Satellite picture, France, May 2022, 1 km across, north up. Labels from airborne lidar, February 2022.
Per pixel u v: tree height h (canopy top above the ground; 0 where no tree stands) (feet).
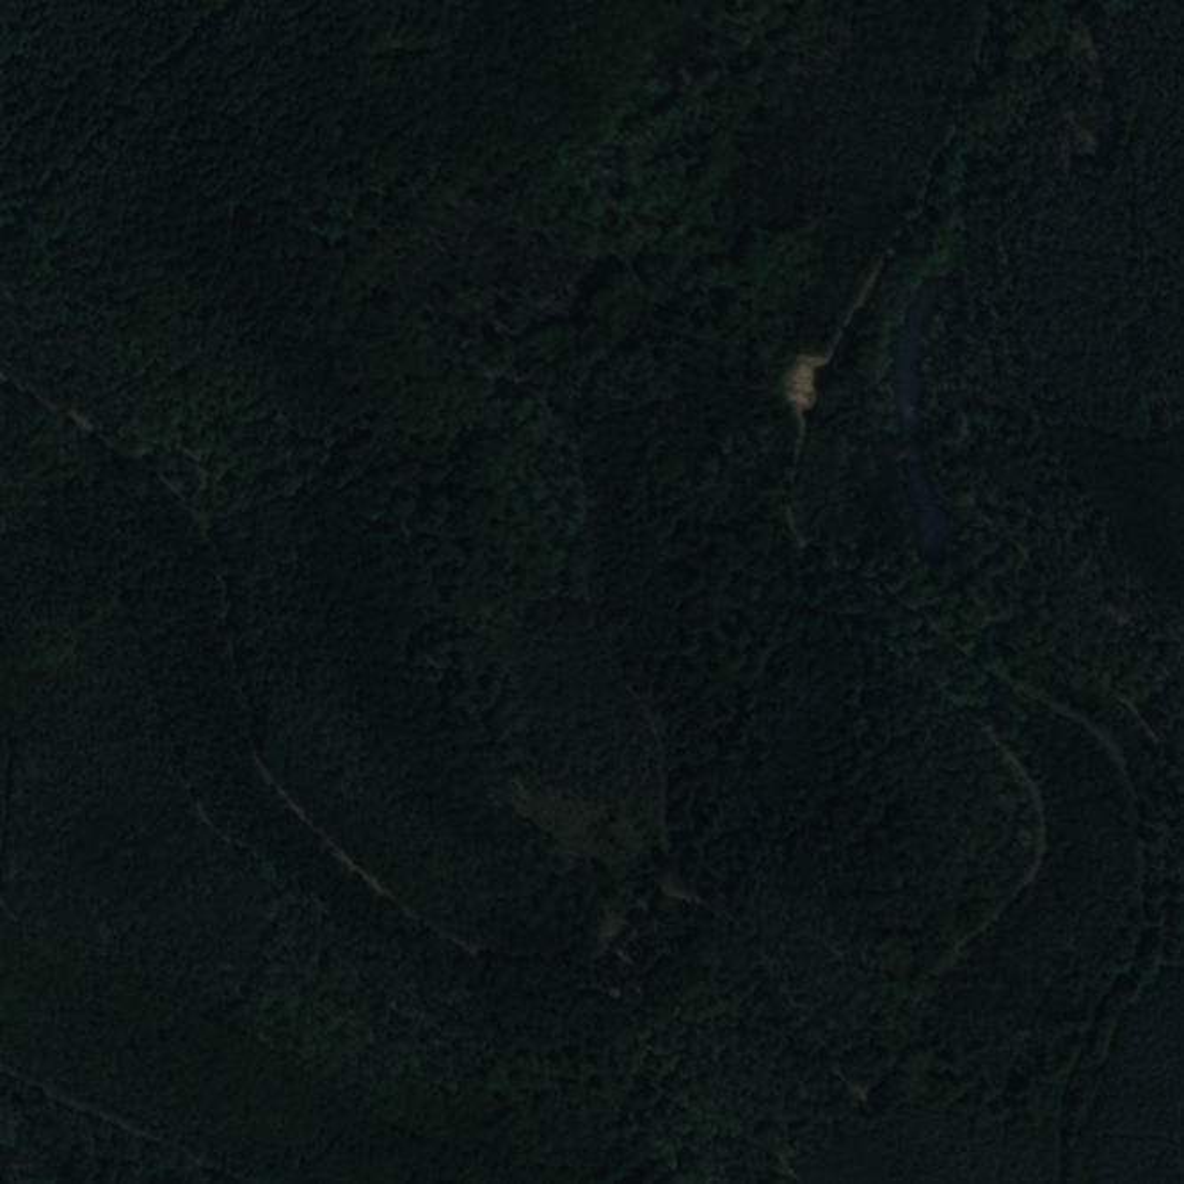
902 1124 74
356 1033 55
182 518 84
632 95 22
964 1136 77
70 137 100
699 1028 87
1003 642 22
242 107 82
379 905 75
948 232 73
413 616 84
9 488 80
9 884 42
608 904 39
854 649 47
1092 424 39
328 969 73
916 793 79
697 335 97
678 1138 97
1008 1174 62
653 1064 95
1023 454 55
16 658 80
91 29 102
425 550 95
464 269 33
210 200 82
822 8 25
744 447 22
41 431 88
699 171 85
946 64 23
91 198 69
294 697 71
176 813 37
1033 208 92
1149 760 93
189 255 87
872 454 75
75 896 27
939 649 120
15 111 101
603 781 23
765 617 81
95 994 62
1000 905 22
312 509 90
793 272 91
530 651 38
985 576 27
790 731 52
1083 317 76
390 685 80
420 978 84
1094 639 96
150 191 91
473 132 88
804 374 0
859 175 20
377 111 65
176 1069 60
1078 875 21
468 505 113
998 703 102
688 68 98
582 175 105
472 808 67
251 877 36
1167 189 97
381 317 103
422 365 104
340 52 64
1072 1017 91
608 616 41
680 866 64
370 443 56
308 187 75
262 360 75
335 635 73
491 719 113
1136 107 93
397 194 79
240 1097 53
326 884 90
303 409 63
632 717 33
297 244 63
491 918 80
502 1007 97
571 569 89
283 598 69
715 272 106
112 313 73
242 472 48
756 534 84
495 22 75
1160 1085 44
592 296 108
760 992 87
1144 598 91
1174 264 86
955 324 73
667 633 34
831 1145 58
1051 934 24
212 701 92
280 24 80
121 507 76
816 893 54
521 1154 71
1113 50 94
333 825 62
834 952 74
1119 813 23
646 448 30
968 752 100
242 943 44
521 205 98
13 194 103
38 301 77
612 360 124
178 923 47
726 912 84
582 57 88
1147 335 84
